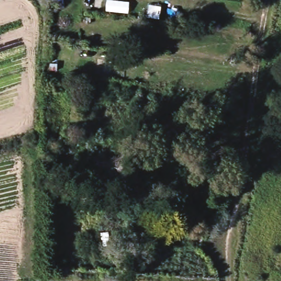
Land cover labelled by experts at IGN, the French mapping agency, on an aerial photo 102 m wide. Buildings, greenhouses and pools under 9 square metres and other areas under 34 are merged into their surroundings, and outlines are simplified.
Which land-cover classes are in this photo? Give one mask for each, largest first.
<instances>
[{"label":"deciduous trees","instance_id":"1","mask_svg":"<svg viewBox=\"0 0 281 281\"><path fill-rule=\"evenodd\" d=\"M176 9L181 14L169 15L166 20L168 35L171 38L179 40L181 36H186L188 40L201 41L203 36L214 35L217 29H222L213 21H201L198 9H184L178 5ZM50 34L69 37L70 40L77 42L87 41L90 52L97 56L104 55V64L113 65V69L120 75L117 79L110 78L109 88L103 92L100 100L91 94L93 87L85 74H71L70 85L63 89V74L57 71V64H46L44 77L53 83L57 92L67 94L68 102L74 103L77 112L82 114V121H63L59 134L53 130L52 122L48 121H44V132L31 130H30L35 137L31 142L35 146L42 145L44 154L52 160L45 161L46 171L40 180V186H45L44 193L47 194L50 203L56 196H60L61 203L71 206L78 223L81 224L75 239L80 257L78 268L90 269L89 273H97L100 281H136V273H164L195 279H217L218 273L213 268L211 258L204 254L202 249L193 246V240L212 241L217 235L227 233L229 228L236 227L238 221L247 215L250 207L249 204L240 201L244 194L254 189V183L263 173L272 171L281 175V31L270 35L266 40H257L249 31L240 29L234 35V44L240 49L229 56L232 60L229 61V65L238 69L239 74L227 81L224 88L206 91L186 88L178 81L168 83L166 80L150 81L145 78L127 77L128 68L139 66L144 59L151 58V48L147 47L142 36H128L127 32H123L120 35L105 37L102 41L100 34L86 35L83 29L80 30L81 35H78L74 31L60 29L59 13L52 14ZM102 233L109 234V240L116 250L123 248L122 257H119L121 263L113 265L108 257L102 255Z\"/></svg>","mask_w":281,"mask_h":281},{"label":"herbaceous vegetation","instance_id":"2","mask_svg":"<svg viewBox=\"0 0 281 281\"><path fill-rule=\"evenodd\" d=\"M108 0H72L59 13L60 29L74 31L78 35H81L80 30L83 29L86 35L100 34L102 41L105 37L120 35L123 32H127L128 36H142L147 47L151 48V58L144 59L139 66L128 68L127 77L145 78L150 81L166 80L168 83L178 81L186 88L206 91L224 88L227 81L239 74L238 69L229 65V61L232 60L229 56L240 49L234 44V35L240 29L228 26L235 21L236 16L238 19L256 22L259 29H265L268 13L266 8L278 0H114L130 4L127 13H117L105 10ZM148 5L160 7L158 19L149 18ZM178 5L184 9H198L201 21H213L222 29H217L214 35L203 36L201 41L188 40L186 36H181L179 40L171 38L168 35L166 20L169 15L181 14L176 9ZM104 55L97 56L90 52L87 41L77 42L74 45L64 42L60 46L58 58L52 64H57V71L63 74V89L70 85L71 74H85L93 87L91 94L100 100L103 92L109 88L110 78L117 79L120 75L113 69V65L104 64ZM21 156L24 200L23 259L21 268L18 269L21 281H41L34 277L31 259L35 224L32 164L37 159L44 158V154L42 145L35 146L31 142H21ZM240 201L249 204L250 207L247 215L238 221L236 227L229 228L227 233L217 235L212 241L193 240V246L202 249L204 254L211 258L213 268L218 273L217 279H195L164 273H136V281H281V175L272 171L263 173L254 183V189L244 194ZM53 205L50 211L56 218L48 224L47 237L53 240L54 249V257L48 261L53 263L57 268L56 272L64 279L48 281H83L68 279L71 270L78 268L80 257L75 239L81 224L78 223L71 206L61 203L60 196H56L50 203ZM102 255L108 257L113 265L121 263L119 257H122L123 248L116 250L109 240V234L102 233Z\"/></svg>","mask_w":281,"mask_h":281},{"label":"agricultural land","instance_id":"3","mask_svg":"<svg viewBox=\"0 0 281 281\"><path fill-rule=\"evenodd\" d=\"M41 10L38 0H0V138L30 130H31L35 99V47L38 42L37 11ZM21 156L9 154L0 157V281H21L18 269L21 268L23 259L24 200Z\"/></svg>","mask_w":281,"mask_h":281},{"label":"brushwood","instance_id":"4","mask_svg":"<svg viewBox=\"0 0 281 281\"><path fill-rule=\"evenodd\" d=\"M72 0H38L41 10L37 11L38 42L35 47V99L31 130L44 132V121H48L52 122L53 130L59 134L63 121H82V114L77 112L74 103L68 102L67 94L57 92L53 83L44 77L46 64H52L58 58L60 46L64 42L74 45L77 42L70 40L69 37L50 34L52 14L59 13ZM268 13L265 29H259L256 22L238 19L236 16L235 21L228 26L240 29L249 31L257 40H266L270 35L281 31V0H278L266 8ZM35 137L30 130L0 138V157L9 154L21 156V142H31ZM52 160L44 154V158L37 159L32 164L35 224L31 259L34 277L41 281H48L64 279L56 272L57 268L53 263L48 261L54 257V249L53 240L47 237L48 224L56 218L50 211L53 205L50 203L47 194L44 193L45 186H40V180L46 171L45 161ZM90 269L78 268L71 270L68 279L83 281H100L97 273H89Z\"/></svg>","mask_w":281,"mask_h":281},{"label":"building","instance_id":"5","mask_svg":"<svg viewBox=\"0 0 281 281\"><path fill-rule=\"evenodd\" d=\"M130 4L114 0H108L105 10L117 13H127ZM160 7L148 5L149 18L158 19Z\"/></svg>","mask_w":281,"mask_h":281}]
</instances>
